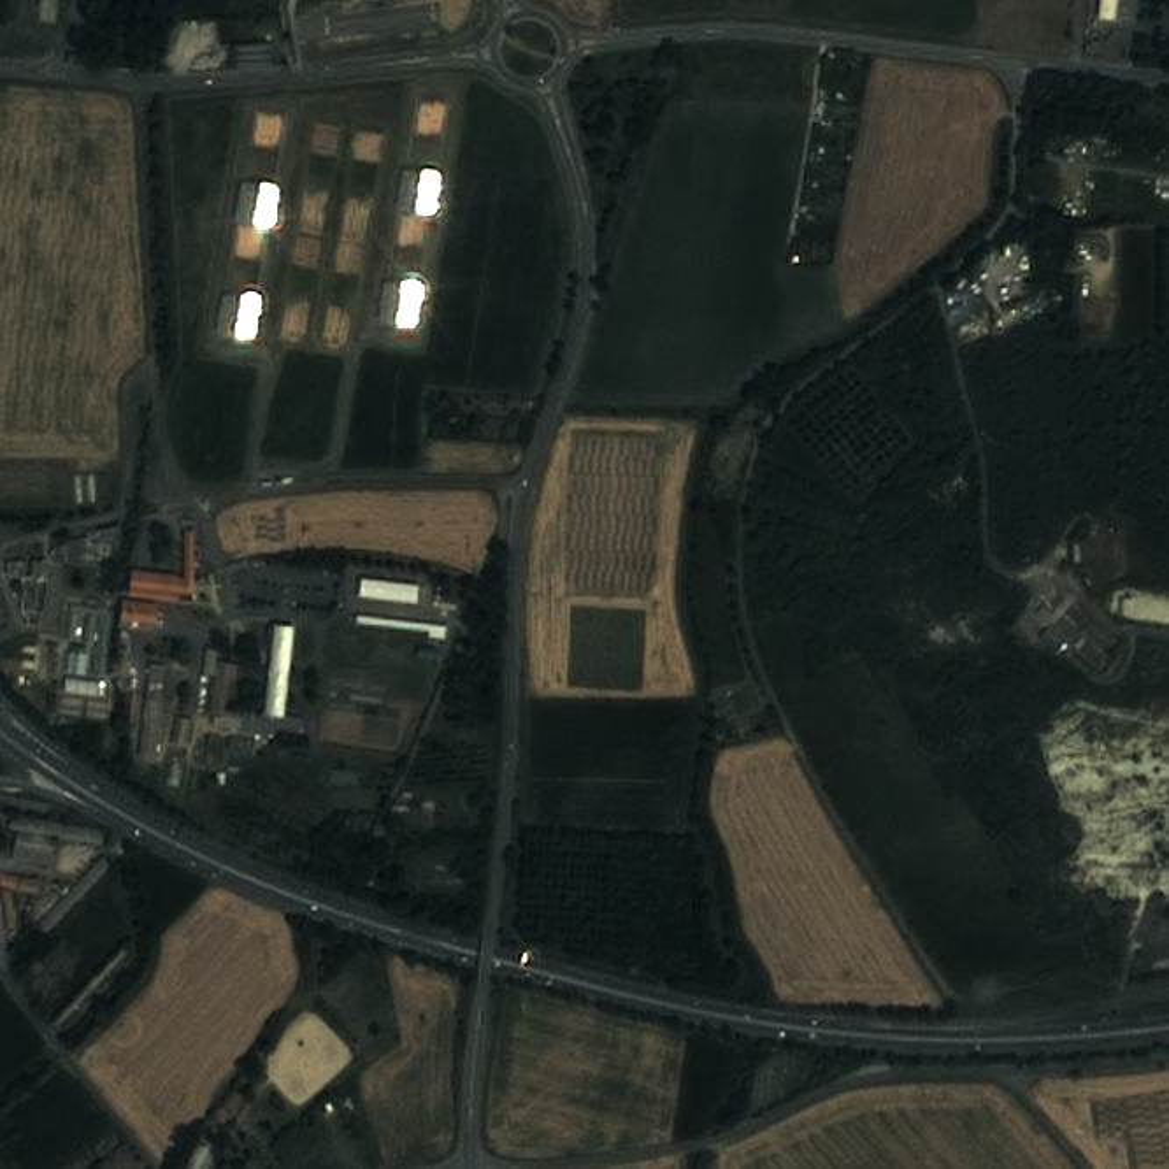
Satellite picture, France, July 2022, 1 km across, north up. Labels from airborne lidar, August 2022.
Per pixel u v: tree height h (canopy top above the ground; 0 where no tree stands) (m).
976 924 0
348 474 0
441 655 0
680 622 0
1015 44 0
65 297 0
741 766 0
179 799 0
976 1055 10
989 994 0
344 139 0
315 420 0
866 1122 0
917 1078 0
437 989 0
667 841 13
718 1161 0
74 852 0
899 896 0
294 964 0
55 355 0
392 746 0
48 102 0
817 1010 8
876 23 0
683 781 0
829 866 0
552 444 0
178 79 0
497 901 0
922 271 8
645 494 0
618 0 0
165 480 0
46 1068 8
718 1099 0
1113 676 0
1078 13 0
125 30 21
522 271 0
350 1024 0
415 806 6
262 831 6
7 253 0
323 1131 0
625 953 9
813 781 0
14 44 0
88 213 0
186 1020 0
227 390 0
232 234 0
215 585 0
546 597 0
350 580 0
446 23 0
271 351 0
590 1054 0
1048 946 0
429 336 0
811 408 10
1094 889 0
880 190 0
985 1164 0
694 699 0
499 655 6
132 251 0
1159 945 0
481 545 0
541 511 0
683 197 0
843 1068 0
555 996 9
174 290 0
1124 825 0
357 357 0
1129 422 10
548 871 9
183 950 0
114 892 0
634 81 7
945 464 9
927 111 0
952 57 0
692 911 9
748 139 0
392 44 0
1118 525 0
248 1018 0
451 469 0
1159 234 12
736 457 0
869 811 0
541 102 0
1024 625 0
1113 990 0
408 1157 0
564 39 0
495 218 0
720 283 0
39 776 0
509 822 0
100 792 0
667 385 0
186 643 8
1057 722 0
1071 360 8
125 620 0
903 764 0
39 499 0
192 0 0
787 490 6
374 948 15
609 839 12
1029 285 9
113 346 0
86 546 0
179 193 0
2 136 0
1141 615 0
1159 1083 0
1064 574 0
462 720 16
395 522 0
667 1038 0
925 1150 0
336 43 0
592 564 0
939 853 0
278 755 0
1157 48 14
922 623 0
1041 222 16
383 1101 0
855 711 0
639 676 0
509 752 0
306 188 0
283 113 0
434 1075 0
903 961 0
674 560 0
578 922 7
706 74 0
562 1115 0
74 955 0
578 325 0
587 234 0
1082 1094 0
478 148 0
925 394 6
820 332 0
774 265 0
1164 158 0
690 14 0
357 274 0
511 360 0
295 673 9
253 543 0
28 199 0
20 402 0
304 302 0
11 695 7
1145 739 0
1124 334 0
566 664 0
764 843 0
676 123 0
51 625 0
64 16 0
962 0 0
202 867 0
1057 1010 0
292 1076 0
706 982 14
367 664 0
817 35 0
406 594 0
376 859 13
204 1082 0
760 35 0
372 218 0
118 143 0
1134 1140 0
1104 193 0
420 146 0
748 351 0
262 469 0
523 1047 0
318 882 6
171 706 0
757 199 0
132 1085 0
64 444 0
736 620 7
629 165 7
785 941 0
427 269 0
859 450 8
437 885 0
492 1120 0
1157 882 0
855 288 0
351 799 0
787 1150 0
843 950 0
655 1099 0
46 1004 0
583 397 0
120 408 0
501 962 0
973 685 5
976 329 0
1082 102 10
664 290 0
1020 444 5
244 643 11
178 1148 16
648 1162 0
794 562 9
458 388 0
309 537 0
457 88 0
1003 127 8
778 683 0
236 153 0
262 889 0
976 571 7
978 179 0
